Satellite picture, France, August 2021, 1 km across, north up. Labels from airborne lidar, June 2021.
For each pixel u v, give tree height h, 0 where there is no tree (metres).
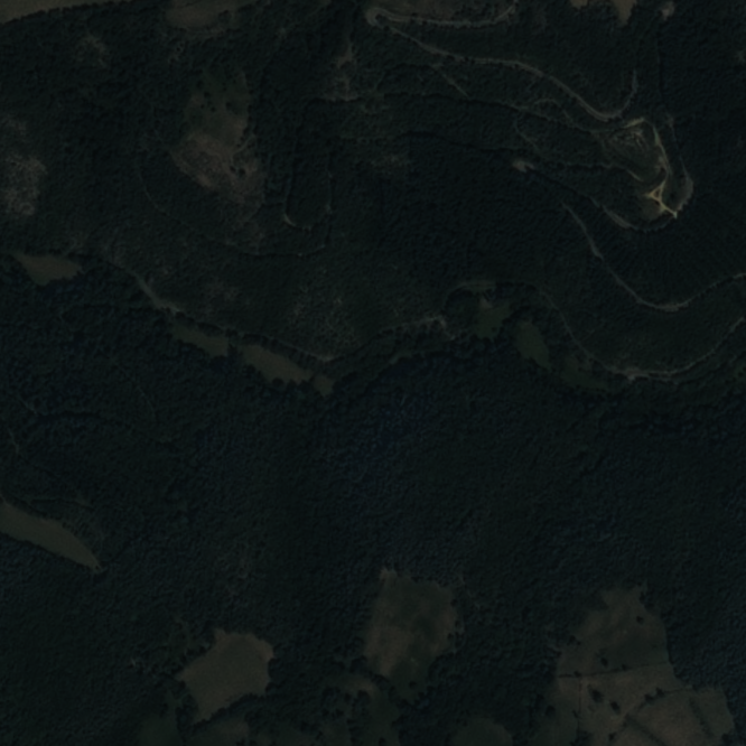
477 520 13
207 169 0
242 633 12
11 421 13
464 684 20
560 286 7
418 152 24
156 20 8
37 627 21
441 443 20
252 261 17
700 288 12
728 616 13
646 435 24
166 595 21
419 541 22
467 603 9
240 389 24
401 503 15
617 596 0
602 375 17
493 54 7
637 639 0
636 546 11
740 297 14
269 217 14
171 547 13
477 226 18
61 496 11
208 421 19
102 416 16
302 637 18
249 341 14
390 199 28
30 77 24
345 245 15
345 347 6
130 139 14
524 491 17
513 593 14
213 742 0
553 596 17
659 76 12
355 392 23
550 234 15
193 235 9
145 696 19
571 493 21
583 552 14
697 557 19
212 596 17
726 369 17
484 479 20
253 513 11
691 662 11
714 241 10
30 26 12
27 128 7
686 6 20
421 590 0
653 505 17
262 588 11
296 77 24
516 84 12
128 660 22
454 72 14
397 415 11
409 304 10
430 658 0
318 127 22
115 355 25
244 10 10
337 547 28
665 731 0
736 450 19
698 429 23
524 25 8
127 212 13
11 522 0
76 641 22
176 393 21
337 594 24
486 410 19
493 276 9
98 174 23
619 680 0
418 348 23
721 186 13
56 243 19
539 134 15
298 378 0
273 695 8
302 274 10
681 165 14
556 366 15
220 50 15
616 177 13
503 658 17
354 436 16
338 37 12
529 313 20
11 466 8
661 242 13
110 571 17
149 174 13
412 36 7
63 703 23
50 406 31
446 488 26
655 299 7
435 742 18
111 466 19
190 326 17
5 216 11
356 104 11
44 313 24
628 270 12
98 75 23
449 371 21
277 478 18
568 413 24
